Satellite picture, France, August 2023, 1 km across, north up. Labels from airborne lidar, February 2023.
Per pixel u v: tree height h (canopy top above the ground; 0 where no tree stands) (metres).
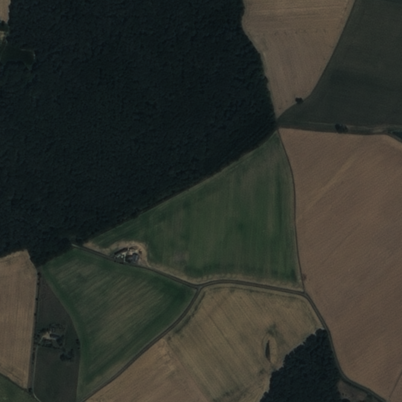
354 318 0
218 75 17
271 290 0
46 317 0
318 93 0
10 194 21
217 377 0
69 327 0
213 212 0
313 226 0
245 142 16
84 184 17
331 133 0
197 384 0
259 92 21
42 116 23
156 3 14
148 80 23
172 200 0
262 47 0
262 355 0
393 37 0
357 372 0
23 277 0
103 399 0
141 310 0
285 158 0
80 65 22
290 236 0
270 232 0
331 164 0
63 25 20
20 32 15
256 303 0
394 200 0
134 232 0
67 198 18
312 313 0
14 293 0
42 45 18
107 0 16
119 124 23
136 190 23
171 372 0
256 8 0
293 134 0
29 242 26
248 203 0
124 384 0
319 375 19
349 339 0
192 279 0
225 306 0
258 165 0
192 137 24
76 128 17
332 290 0
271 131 12
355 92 0
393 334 0
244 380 0
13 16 20
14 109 15
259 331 0
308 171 0
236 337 0
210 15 17
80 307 0
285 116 0
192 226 0
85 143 16
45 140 17
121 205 24
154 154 25
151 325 0
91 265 0
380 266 0
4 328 0
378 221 0
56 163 19
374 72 0
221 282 0
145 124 21
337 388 12
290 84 0
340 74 0
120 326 0
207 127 24
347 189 0
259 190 0
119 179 20
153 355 0
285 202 0
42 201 25
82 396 0
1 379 0
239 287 0
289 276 0
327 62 0
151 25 19
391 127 0
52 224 29
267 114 12
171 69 20
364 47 0
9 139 18
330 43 0
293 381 23
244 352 0
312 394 22
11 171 25
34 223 24
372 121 0
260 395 0
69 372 0
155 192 22
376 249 0
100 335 0
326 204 0
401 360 0
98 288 0
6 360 0
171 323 0
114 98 19
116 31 19
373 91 0
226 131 23
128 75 22
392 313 0
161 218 0
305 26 0
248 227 0
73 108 23
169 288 0
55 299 0
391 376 0
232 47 19
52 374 0
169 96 17
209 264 0
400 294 0
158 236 0
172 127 18
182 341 0
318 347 7
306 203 0
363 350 0
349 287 0
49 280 0
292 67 0
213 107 19
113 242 0
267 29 0
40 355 0
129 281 0
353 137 0
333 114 0
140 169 24
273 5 0
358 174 0
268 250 0
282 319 0
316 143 0
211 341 0
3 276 0
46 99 19
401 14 0
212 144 22
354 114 0
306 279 0
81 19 25
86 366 0
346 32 0
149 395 0
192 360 0
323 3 0
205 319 0
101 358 0
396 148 0
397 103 0
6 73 19
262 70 17
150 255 0
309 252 0
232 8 20
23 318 0
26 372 0
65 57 20
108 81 21
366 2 0
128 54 21
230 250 0
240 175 0
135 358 0
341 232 0
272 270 0
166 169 25
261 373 0
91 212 25
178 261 0
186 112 17
